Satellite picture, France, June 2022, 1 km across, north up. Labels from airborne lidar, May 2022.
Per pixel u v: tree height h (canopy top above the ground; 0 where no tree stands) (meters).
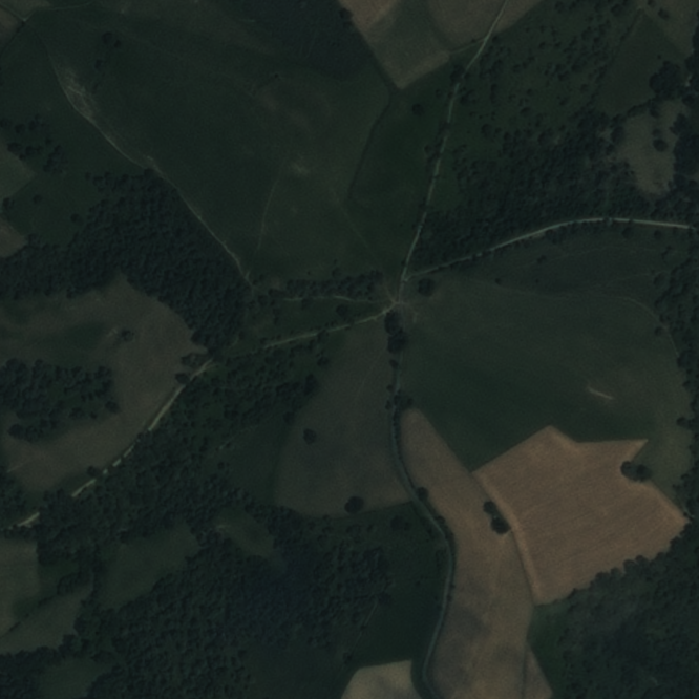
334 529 9
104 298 0
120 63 0
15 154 12
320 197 0
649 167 0
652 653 19
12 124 8
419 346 0
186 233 18
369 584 17
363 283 13
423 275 0
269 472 0
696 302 9
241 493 7
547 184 13
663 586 14
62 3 0
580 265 0
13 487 12
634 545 0
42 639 0
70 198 0
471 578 0
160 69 0
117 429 0
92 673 0
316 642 9
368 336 0
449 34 0
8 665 24
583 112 9
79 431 0
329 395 0
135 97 0
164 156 0
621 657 14
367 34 0
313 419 0
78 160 0
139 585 0
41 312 0
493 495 0
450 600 7
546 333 0
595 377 0
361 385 0
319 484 0
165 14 0
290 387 13
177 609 17
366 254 0
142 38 0
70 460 0
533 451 0
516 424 0
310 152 0
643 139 0
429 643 0
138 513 10
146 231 10
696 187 21
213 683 12
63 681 0
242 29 0
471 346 0
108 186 13
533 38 0
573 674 9
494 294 0
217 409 0
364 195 0
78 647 25
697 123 0
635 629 13
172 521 17
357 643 0
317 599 16
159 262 21
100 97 0
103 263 17
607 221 11
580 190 10
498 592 0
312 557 21
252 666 0
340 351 0
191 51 0
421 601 0
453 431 0
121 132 0
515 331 0
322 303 0
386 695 0
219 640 17
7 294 17
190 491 9
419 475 0
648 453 0
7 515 14
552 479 0
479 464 0
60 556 15
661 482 0
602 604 12
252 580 16
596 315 0
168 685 13
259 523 11
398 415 8
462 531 0
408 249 0
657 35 0
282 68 0
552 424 0
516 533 0
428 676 0
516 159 10
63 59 0
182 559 0
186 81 0
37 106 0
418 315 0
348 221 0
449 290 0
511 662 0
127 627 9
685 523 0
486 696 0
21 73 0
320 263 0
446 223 9
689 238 7
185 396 7
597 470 0
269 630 16
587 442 0
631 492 0
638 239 0
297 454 0
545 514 0
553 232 12
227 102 0
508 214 10
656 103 10
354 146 0
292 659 0
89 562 11
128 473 14
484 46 0
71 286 9
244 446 0
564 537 0
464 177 16
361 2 0
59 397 0
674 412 0
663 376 0
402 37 0
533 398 0
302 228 0
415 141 0
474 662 0
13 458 0
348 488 0
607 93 0
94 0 0
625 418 0
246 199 0
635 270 0
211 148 0
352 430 0
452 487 0
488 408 0
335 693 0
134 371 0
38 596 0
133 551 0
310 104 0
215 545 17
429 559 0
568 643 14
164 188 7
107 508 12
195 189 0
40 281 11
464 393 0
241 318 9
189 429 15
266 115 0
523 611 0
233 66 0
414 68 0
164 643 9
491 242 8
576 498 0
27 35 0
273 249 0
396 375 0
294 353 10
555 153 16
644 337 0
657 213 14
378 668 0
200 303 19
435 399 0
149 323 0
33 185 0
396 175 0
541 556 0
